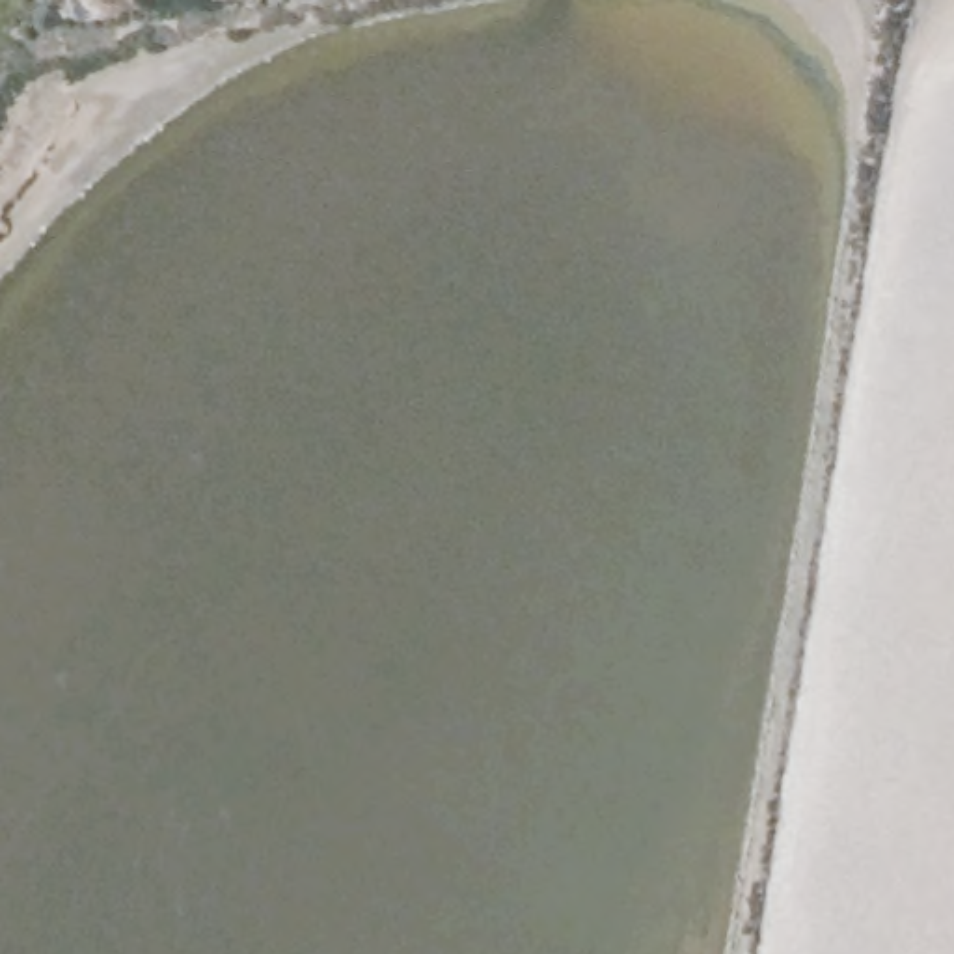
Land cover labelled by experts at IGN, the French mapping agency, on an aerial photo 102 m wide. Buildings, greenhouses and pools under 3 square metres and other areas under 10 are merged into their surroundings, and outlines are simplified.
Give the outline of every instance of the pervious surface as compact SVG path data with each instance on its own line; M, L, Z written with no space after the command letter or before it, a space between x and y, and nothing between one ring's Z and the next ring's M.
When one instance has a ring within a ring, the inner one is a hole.
M130 63L104 67L78 82L67 82L63 75L45 75L26 82L0 130L0 279L22 261L22 253L48 231L48 224L67 205L86 198L123 157L153 142L190 104L220 89L224 82L246 75L250 67L268 63L279 52L317 37L320 19L306 15L298 26L279 26L250 41L201 34L168 52L142 52Z
M887 22L887 0L786 0L820 37L820 45L827 45L842 86L846 198L827 291L820 376L809 421L809 451L790 544L786 596L779 611L723 954L745 954L753 883L768 887L760 954L954 954L954 0L917 0L894 86L894 116L876 190L872 239L868 250L850 250L850 231L857 220L861 149L868 142L868 101L872 82L879 78L879 30Z

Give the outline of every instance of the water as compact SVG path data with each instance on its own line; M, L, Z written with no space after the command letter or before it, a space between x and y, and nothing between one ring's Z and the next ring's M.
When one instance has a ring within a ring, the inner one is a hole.
M432 19L402 19L354 34L335 30L328 37L317 37L279 52L268 63L250 67L246 75L224 82L220 89L190 104L153 142L123 157L86 198L67 205L48 224L48 231L22 253L22 261L0 279L0 954L723 954L779 611L786 596L790 544L809 451L809 421L820 376L827 291L846 198L842 86L827 45L820 45L820 37L786 0L518 0Z

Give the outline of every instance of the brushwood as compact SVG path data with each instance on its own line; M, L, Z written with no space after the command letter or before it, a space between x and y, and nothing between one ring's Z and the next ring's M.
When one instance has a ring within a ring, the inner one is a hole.
M868 250L872 239L876 190L894 116L894 86L917 0L887 0L887 22L879 30L879 78L872 82L868 101L868 142L861 149L857 220L850 231L850 250Z
M760 954L768 887L753 883L745 954Z
M142 52L168 52L201 34L250 41L279 26L298 26L306 15L320 19L317 37L328 37L335 30L354 34L402 19L432 19L518 0L0 0L0 130L26 82L45 75L63 75L67 82L78 82L104 67L130 63Z

